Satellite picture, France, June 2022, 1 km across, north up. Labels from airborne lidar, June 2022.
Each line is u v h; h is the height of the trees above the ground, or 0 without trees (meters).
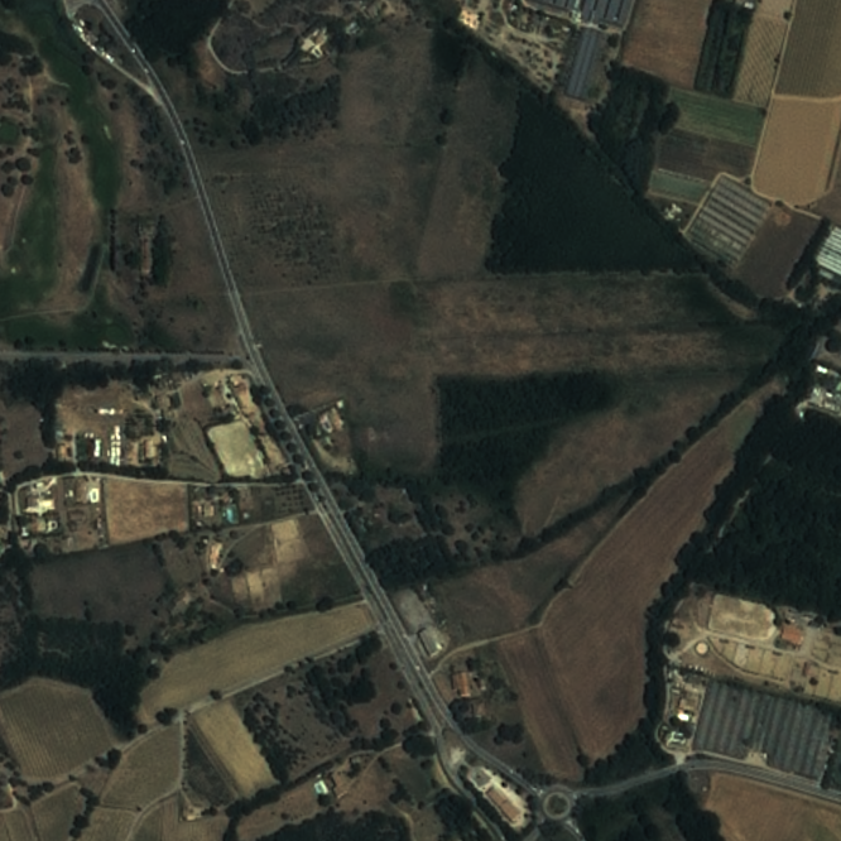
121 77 0
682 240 14
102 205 0
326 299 0
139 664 12
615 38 7
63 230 0
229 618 0
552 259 12
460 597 0
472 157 0
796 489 15
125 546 0
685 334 0
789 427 19
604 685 0
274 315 0
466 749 0
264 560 0
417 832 0
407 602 0
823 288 0
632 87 10
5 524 14
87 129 0
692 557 18
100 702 13
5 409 0
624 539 0
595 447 0
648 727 18
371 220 0
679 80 0
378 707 0
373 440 0
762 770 0
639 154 16
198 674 0
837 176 0
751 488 10
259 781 0
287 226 8
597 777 8
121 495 0
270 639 0
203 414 0
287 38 6
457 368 0
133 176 0
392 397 0
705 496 0
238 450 0
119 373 12
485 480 10
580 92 0
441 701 0
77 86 0
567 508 0
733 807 0
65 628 8
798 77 0
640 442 0
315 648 0
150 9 13
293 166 0
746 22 7
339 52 14
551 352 0
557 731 0
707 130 0
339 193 0
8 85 9
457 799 20
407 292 0
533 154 9
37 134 10
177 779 0
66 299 0
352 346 0
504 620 0
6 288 0
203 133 7
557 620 0
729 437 0
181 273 0
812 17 0
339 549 0
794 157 0
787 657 0
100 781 0
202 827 0
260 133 9
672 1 0
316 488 10
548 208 11
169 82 0
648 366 0
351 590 0
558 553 0
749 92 0
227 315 0
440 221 0
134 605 0
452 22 13
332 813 6
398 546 18
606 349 0
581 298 0
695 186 0
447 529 12
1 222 0
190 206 0
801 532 15
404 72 0
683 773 7
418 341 0
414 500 11
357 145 0
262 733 7
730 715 0
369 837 7
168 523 0
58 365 7
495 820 13
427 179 0
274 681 0
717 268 10
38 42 0
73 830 8
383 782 0
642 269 8
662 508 0
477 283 0
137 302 9
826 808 0
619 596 0
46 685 0
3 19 0
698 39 0
